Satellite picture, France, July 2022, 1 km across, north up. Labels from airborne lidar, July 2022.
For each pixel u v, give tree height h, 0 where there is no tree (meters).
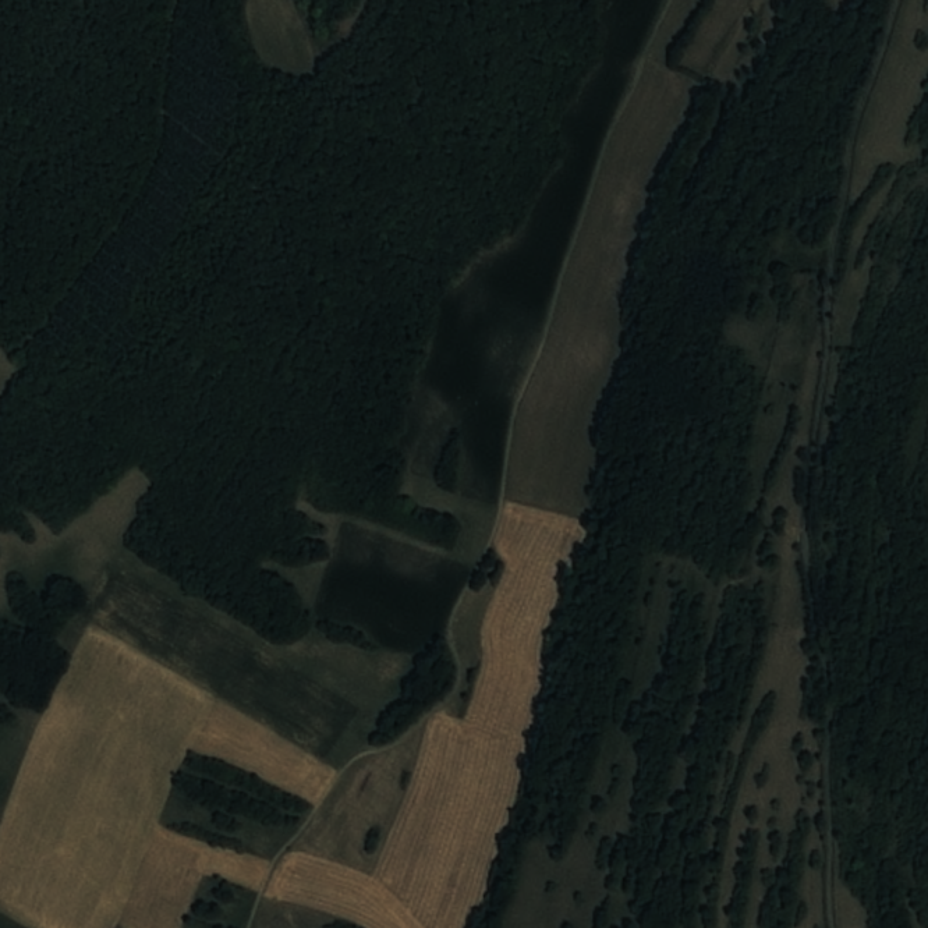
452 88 19
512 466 0
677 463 17
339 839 0
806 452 11
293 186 19
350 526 0
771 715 6
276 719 0
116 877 0
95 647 0
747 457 9
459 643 0
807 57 19
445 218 17
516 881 13
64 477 15
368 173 22
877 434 11
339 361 20
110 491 12
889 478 13
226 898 15
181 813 0
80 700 0
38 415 19
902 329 14
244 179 15
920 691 16
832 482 6
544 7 21
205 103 9
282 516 17
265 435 13
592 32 22
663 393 23
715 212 22
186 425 15
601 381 0
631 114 0
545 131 21
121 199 15
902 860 9
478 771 0
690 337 16
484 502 0
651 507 20
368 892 0
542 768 22
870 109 0
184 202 11
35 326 13
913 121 8
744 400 13
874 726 17
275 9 0
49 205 17
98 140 17
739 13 0
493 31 19
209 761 11
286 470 15
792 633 0
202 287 16
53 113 16
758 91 22
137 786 0
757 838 14
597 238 0
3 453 18
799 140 18
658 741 16
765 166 19
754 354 0
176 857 0
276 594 25
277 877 0
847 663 10
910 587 16
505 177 16
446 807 0
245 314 20
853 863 10
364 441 24
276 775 0
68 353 10
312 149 17
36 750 0
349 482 21
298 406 17
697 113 19
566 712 24
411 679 7
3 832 0
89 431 18
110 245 10
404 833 0
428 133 19
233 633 0
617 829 0
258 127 10
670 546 21
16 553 0
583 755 21
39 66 16
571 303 0
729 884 0
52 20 12
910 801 7
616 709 9
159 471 11
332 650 0
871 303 7
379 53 17
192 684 0
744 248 12
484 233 20
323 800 0
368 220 19
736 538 17
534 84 21
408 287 22
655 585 8
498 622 0
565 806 21
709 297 22
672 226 22
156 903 0
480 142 22
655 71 0
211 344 13
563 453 0
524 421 0
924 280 11
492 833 0
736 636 16
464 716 0
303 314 22
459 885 0
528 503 0
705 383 16
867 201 6
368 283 21
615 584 19
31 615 19
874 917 7
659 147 0
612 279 0
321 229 20
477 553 0
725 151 22
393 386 24
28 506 15
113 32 16
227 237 16
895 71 0
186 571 20
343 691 0
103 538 0
